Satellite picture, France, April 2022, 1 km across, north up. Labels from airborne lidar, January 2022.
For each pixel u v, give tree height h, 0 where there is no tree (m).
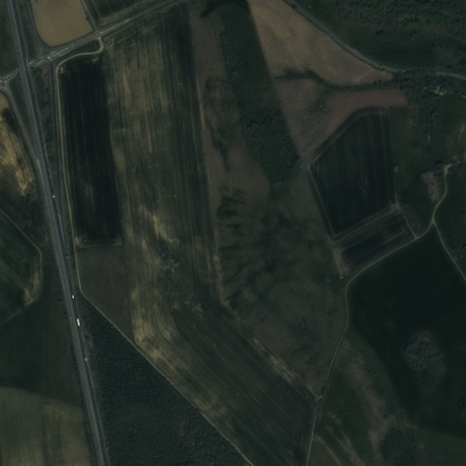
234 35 0
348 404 0
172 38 0
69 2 0
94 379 0
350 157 0
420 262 0
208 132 0
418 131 0
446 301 0
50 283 0
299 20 0
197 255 0
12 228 0
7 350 0
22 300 0
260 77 0
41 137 0
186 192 0
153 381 9
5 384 0
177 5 0
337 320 0
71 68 0
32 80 0
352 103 0
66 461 0
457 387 0
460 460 0
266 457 0
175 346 0
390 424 0
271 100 0
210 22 0
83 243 0
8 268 0
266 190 0
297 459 0
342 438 0
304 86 0
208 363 0
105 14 0
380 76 0
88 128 0
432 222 0
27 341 0
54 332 0
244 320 0
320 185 0
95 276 0
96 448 0
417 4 12
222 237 0
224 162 0
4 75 0
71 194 0
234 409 0
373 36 0
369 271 0
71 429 0
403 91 13
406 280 0
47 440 0
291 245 0
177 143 0
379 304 0
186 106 0
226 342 0
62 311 0
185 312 0
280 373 0
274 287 0
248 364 0
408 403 0
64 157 0
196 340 0
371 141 0
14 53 0
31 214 0
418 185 0
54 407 0
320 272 0
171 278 0
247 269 0
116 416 7
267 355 0
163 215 0
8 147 0
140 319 0
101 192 0
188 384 0
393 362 0
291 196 0
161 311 0
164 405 9
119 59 0
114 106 0
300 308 0
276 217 0
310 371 0
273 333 0
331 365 0
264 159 7
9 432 0
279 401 0
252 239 0
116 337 8
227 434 0
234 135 0
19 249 0
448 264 0
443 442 0
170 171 0
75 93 0
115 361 9
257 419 0
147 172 0
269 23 0
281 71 0
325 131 0
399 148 0
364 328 0
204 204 0
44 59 0
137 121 0
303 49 0
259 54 0
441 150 0
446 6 14
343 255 0
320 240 0
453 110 0
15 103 0
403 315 0
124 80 0
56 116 0
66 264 0
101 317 6
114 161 0
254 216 0
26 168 0
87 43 0
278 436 0
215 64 0
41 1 0
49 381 0
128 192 0
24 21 0
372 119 0
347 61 0
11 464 0
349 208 0
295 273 0
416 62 0
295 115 0
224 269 0
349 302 0
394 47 0
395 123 0
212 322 0
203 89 0
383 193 0
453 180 0
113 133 0
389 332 0
